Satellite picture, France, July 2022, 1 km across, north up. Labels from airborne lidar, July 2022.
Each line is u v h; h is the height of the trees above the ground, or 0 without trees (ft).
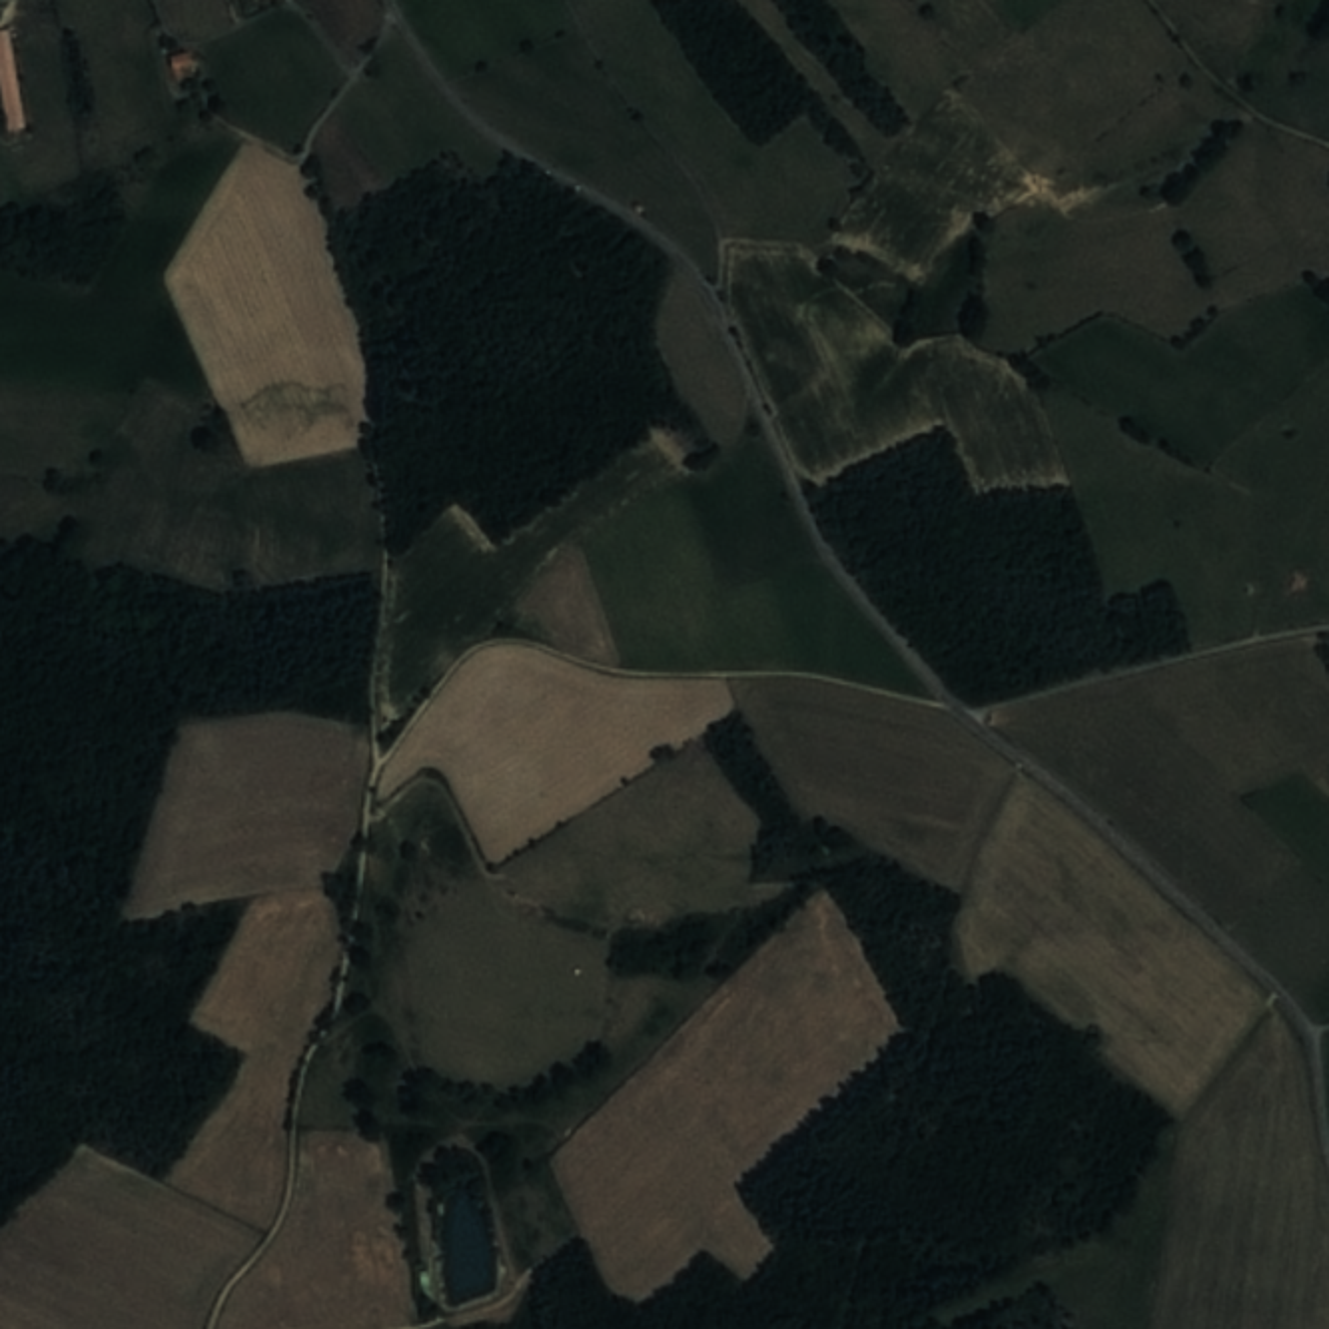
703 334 0
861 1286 30
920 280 0
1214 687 0
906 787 0
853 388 0
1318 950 0
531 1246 0
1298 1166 0
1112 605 27
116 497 0
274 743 0
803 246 0
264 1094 0
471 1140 0
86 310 0
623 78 0
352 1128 0
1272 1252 0
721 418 0
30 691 43
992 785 0
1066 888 0
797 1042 0
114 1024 20
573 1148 0
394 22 0
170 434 0
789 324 0
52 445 0
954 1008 26
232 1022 0
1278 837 0
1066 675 29
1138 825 0
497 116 0
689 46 31
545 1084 50
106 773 26
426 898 0
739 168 0
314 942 0
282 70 0
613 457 33
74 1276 0
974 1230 37
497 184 31
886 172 0
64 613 53
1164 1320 0
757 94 36
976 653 18
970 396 0
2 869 73
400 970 0
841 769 0
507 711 0
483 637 0
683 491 0
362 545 0
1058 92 0
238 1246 0
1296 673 0
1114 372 0
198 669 29
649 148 0
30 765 30
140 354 0
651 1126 0
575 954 0
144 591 19
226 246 0
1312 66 0
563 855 0
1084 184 0
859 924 33
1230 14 0
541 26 0
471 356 48
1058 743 0
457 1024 0
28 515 0
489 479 26
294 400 0
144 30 0
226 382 0
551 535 0
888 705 0
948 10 0
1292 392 0
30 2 0
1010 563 41
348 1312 0
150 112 0
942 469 39
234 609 21
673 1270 0
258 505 0
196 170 0
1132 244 0
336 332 0
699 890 0
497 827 0
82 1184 0
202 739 0
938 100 0
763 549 0
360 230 39
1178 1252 0
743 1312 47
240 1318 0
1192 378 0
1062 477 0
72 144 0
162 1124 44
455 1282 0
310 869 0
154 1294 0
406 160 0
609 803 0
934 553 43
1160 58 0
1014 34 0
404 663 0
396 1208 56
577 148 0
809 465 0
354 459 0
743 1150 0
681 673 0
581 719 0
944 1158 31
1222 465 0
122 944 27
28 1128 57
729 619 0
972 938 0
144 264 0
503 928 0
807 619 0
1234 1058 0
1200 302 0
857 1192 72
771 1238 45
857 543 43
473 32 0
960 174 0
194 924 25
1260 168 0
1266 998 0
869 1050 0
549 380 23
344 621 61
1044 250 0
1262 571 0
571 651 0
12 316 0
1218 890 0
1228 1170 0
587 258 18
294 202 0
